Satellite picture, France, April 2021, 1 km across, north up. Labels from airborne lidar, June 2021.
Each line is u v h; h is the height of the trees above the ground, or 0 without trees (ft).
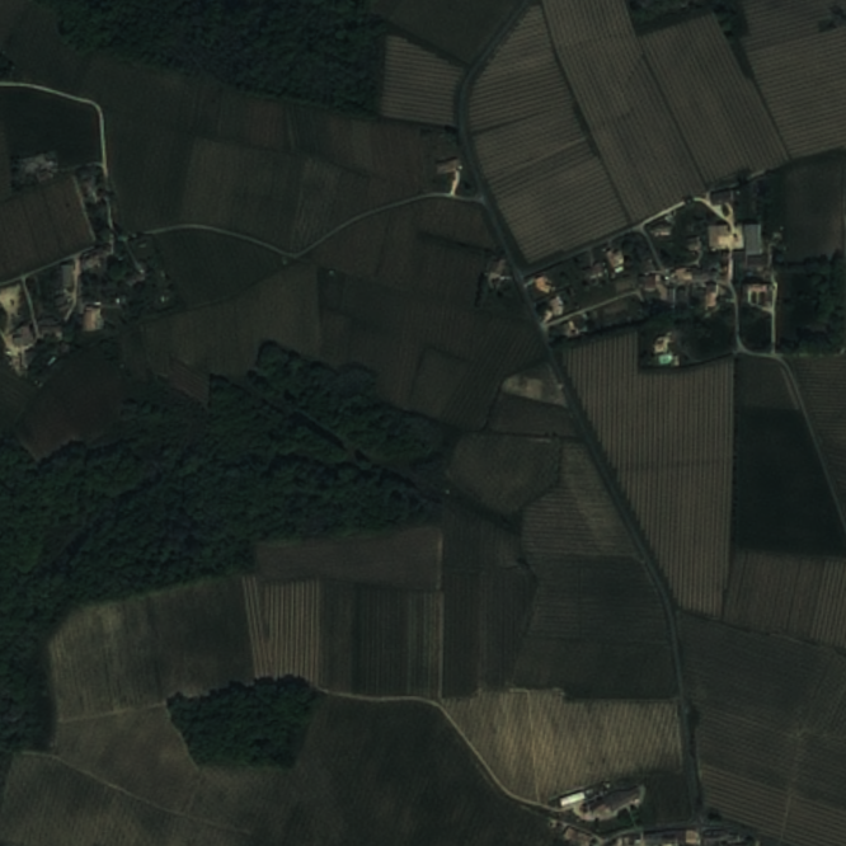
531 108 0
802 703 0
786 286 0
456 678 0
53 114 0
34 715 22
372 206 0
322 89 35
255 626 0
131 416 43
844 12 24
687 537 0
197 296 0
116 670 0
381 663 0
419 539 0
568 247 0
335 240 0
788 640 0
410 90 0
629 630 0
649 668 0
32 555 68
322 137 0
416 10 0
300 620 0
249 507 68
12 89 0
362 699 0
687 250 19
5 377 0
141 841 0
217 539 82
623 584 0
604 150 0
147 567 73
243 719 60
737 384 21
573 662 0
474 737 0
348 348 0
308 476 60
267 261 0
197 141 0
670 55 0
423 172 0
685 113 0
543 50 0
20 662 35
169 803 0
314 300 0
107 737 0
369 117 24
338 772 0
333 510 56
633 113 0
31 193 0
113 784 0
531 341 0
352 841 0
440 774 0
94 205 18
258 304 0
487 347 0
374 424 60
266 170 0
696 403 0
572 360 0
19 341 0
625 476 0
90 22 69
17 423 0
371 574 0
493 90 0
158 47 55
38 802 0
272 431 35
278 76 46
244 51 46
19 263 0
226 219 0
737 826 0
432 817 0
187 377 0
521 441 0
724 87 0
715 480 0
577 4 0
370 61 46
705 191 0
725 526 0
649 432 0
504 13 0
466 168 0
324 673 0
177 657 0
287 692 69
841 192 0
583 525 0
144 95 0
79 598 61
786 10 0
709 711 0
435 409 0
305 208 0
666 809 0
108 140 0
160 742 0
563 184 0
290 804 0
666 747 0
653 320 33
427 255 0
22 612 84
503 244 0
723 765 0
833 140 0
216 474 72
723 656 0
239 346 0
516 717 0
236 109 0
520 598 0
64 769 0
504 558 0
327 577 0
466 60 0
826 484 0
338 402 52
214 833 0
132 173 0
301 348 0
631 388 0
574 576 0
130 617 0
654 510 0
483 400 0
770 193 37
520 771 0
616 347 0
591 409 0
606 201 0
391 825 0
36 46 0
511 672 0
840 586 0
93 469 75
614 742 0
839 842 0
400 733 0
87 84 0
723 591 0
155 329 0
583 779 0
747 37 0
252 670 0
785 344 40
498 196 0
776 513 0
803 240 0
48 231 0
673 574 0
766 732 0
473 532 0
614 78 0
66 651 0
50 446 0
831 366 0
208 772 0
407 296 0
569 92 0
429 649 0
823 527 0
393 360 0
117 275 52
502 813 0
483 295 43
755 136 0
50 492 86
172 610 0
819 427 0
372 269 0
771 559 0
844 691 0
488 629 0
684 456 0
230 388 33
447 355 0
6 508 56
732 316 72
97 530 55
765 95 0
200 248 0
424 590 0
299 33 52
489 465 0
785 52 0
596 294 0
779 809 0
